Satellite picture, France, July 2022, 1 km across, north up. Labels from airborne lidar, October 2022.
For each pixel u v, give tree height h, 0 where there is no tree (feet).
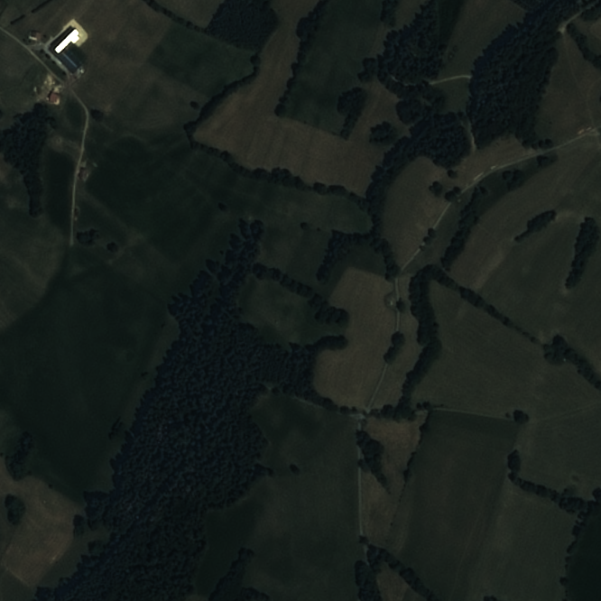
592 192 0
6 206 0
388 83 54
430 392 0
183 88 0
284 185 58
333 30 0
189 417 47
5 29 0
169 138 0
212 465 104
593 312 0
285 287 51
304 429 0
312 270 0
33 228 0
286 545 0
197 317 95
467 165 0
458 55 0
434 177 0
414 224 0
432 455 0
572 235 0
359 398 0
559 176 0
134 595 24
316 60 0
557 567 0
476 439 0
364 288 0
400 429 0
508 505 0
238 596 25
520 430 0
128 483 73
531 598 0
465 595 0
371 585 86
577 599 0
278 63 0
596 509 75
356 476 0
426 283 69
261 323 0
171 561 47
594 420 0
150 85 0
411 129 0
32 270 0
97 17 0
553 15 91
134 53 0
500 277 0
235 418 86
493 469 0
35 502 0
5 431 0
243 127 0
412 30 35
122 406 0
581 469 0
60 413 0
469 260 0
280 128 0
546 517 0
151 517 90
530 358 0
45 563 0
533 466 0
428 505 0
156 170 0
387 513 0
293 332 0
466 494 0
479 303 70
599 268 0
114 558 100
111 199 0
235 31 57
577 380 0
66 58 0
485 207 0
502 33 0
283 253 0
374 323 0
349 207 0
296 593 0
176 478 105
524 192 0
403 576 64
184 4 0
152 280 0
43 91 0
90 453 0
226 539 0
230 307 96
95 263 0
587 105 0
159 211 0
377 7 0
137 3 0
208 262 0
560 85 0
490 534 0
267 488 0
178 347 68
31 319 0
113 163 0
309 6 0
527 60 71
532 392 0
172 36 0
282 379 62
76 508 0
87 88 0
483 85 89
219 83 0
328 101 0
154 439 89
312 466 0
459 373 0
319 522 0
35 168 55
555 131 0
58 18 0
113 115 0
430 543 0
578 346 0
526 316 0
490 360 0
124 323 0
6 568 0
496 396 0
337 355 0
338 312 55
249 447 72
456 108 0
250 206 0
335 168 0
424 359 63
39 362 0
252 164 0
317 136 0
